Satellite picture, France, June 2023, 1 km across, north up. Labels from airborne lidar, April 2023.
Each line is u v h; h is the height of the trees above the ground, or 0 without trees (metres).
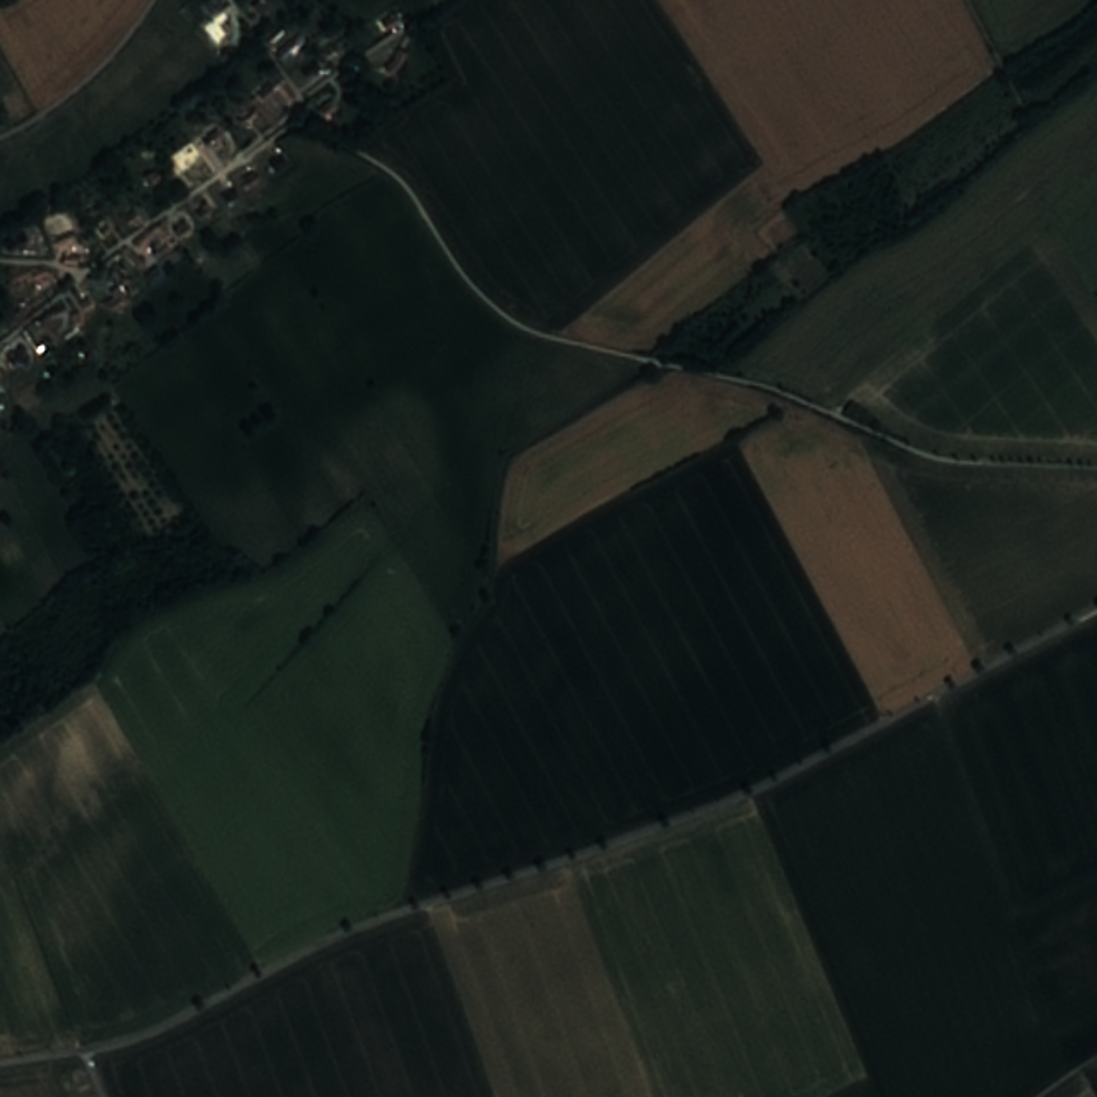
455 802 0
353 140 15
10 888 0
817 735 0
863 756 0
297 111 13
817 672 0
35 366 0
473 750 0
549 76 0
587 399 0
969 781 0
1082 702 0
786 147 0
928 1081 0
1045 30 0
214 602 0
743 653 0
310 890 0
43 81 0
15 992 0
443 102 0
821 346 0
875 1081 0
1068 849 0
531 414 0
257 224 10
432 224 0
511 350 0
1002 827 0
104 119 0
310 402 0
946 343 0
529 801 0
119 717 0
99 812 0
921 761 0
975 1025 0
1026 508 0
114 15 0
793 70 0
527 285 0
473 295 0
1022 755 0
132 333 0
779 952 0
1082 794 0
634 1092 0
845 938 0
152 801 0
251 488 0
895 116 0
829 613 0
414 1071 0
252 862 0
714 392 0
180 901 0
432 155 0
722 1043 0
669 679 0
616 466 0
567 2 0
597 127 0
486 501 0
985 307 0
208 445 0
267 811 0
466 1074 0
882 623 0
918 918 0
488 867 0
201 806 0
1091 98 0
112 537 11
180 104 16
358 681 0
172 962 0
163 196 9
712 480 0
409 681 0
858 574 0
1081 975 0
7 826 0
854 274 0
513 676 0
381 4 0
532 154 0
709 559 0
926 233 0
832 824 0
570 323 0
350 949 0
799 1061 0
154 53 0
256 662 0
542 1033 0
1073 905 0
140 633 0
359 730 0
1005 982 0
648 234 0
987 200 0
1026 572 0
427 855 0
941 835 0
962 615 0
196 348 0
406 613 0
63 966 0
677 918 0
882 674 0
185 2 0
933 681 0
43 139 0
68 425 12
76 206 5
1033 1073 0
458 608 0
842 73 0
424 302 0
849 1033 0
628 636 0
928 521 0
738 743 0
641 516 0
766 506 0
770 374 0
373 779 0
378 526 0
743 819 0
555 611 0
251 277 0
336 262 0
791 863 0
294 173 0
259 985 0
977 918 0
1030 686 0
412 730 0
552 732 0
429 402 0
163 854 0
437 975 0
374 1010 0
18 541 0
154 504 6
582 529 0
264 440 0
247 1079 0
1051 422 0
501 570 0
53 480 13
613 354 0
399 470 0
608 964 0
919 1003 0
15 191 0
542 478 0
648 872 0
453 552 0
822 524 0
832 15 0
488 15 0
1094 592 0
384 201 0
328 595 0
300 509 0
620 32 0
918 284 0
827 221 9
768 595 0
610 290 0
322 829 0
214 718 0
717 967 0
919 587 0
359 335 0
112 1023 0
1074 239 0
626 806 0
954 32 0
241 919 0
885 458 0
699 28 0
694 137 0
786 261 0
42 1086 0
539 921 0
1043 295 0
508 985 0
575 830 0
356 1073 0
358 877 0
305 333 0
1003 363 0
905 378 0
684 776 0
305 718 0
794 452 0
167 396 0
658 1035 0
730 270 0
